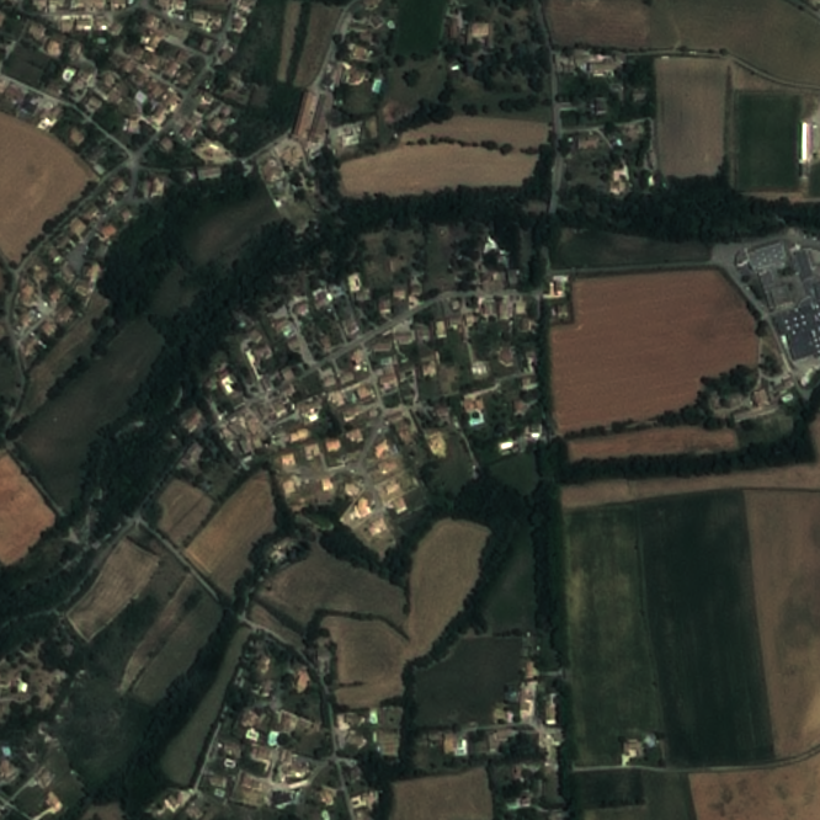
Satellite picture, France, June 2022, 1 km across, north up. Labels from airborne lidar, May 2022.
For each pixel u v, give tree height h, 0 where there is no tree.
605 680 0
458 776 0
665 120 0
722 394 8
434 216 14
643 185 8
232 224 0
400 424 0
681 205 10
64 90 8
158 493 8
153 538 6
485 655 0
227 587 0
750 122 0
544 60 13
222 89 8
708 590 0
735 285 0
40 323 0
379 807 15
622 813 0
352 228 9
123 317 22
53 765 0
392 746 0
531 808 7
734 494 0
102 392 0
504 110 12
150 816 12
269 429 0
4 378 0
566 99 14
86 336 0
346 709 11
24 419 9
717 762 0
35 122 0
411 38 0
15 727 11
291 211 0
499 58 15
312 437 0
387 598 0
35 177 0
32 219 0
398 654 0
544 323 15
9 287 6
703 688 0
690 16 0
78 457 0
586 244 0
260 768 0
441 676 0
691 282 0
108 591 0
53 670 10
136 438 7
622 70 8
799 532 0
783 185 0
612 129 11
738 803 0
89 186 9
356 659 0
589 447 0
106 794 21
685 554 0
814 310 0
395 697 7
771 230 13
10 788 14
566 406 0
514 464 0
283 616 12
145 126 10
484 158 0
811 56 0
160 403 12
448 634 7
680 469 17
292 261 17
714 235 22
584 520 0
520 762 10
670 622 0
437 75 0
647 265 0
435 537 0
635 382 0
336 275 8
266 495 0
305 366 9
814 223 16
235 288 8
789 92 0
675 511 0
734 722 0
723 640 0
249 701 11
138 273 18
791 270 7
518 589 0
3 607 9
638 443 0
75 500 7
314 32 0
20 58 0
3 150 0
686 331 0
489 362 0
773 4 0
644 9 0
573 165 0
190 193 6
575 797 24
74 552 18
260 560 16
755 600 0
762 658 0
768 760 0
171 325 9
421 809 0
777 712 0
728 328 0
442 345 7
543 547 19
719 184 11
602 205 8
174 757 0
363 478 0
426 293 6
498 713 0
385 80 7
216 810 0
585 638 0
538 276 21
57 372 0
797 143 0
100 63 8
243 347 0
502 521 9
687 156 0
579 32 0
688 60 0
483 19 6
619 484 0
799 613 0
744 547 0
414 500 0
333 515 14
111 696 0
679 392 0
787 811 0
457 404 11
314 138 0
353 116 12
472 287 10
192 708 11
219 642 10
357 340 0
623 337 0
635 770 0
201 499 0
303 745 0
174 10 0
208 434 12
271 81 6
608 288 0
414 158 0
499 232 12
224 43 0
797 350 0
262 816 0
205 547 0
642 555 0
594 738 0
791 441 17
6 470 0
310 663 6
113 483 11
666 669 0
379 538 0
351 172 0
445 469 0
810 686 0
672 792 0
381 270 0
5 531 0
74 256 0
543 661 7
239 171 7
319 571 0
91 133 8
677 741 0
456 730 9
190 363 10
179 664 0
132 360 0
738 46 0
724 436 0
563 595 20
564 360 0
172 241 10
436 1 0
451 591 0
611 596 0
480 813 0
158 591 0
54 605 7
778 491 0
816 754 0
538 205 0
